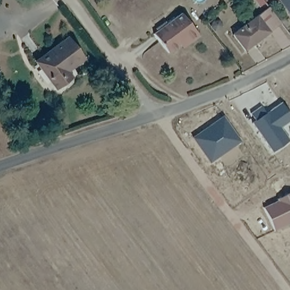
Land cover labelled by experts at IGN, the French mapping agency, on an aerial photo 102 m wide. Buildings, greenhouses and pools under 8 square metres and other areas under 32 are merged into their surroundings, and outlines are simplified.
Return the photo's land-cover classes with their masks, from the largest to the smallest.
<instances>
[{"label":"agricultural land","instance_id":"1","mask_svg":"<svg viewBox=\"0 0 290 290\"><path fill-rule=\"evenodd\" d=\"M0 290H282L220 207L211 201L204 188L171 143L168 135L159 125H154L153 121L0 172ZM9 137L0 123V161L19 155L18 151L9 150Z\"/></svg>","mask_w":290,"mask_h":290},{"label":"herbaceous vegetation","instance_id":"2","mask_svg":"<svg viewBox=\"0 0 290 290\"><path fill-rule=\"evenodd\" d=\"M33 0H0V17L17 15L20 10L31 14L34 11L31 7ZM219 2L217 0H93L92 7L116 36L119 44L126 37L136 36L138 41L130 46L136 49L154 36L157 27L184 14L186 10L195 20V28L201 33L198 43L190 44L186 48L179 46L176 50H170V53L165 52L156 41L147 46L142 56L137 57V61L142 62L155 78L162 75L163 83L172 85L174 91L182 95H193L227 83L230 79L234 80H236L242 71L256 67L257 62L249 56V49L242 45L236 35L239 29L244 27L242 23L237 22L229 0H223L227 8L220 10L219 18H215L211 25H206L199 16L208 8L216 6ZM0 71L12 84H17L16 92H12L9 99L14 108L29 97H32L34 104L40 105L39 114L28 128L32 133L43 126H48L54 116L51 106L42 102L45 89L36 82L33 72L26 68L19 54L17 39L7 42L0 40ZM87 60L84 65L77 68V76L72 80H75L74 85L61 94L65 105V119L62 122L68 125H70V123H72V122H76V121H79V120L77 116L82 111L76 106L78 95L91 94L95 104H100L101 101V96L88 84L89 72L93 67L97 70L106 69L109 62L104 54L100 59H96L91 53L86 54ZM224 112L225 117L236 129L241 138L237 146L241 151V159L237 167H232V165H228L227 163L222 162L221 157L213 162L208 160L193 137L195 129L215 117L217 113ZM248 119L244 110L230 101L225 97H217L187 110V113L180 114L172 120V128L180 143L190 151V155L206 173L207 179L212 182L211 187L204 188L211 201L220 207L227 203L231 210L239 212L266 207L290 194V140L278 151H273L272 154L267 152L254 135L253 129L247 125ZM113 118L108 119H105V120H102V121H99V122H94V123H91V125H86V126H83V127H79V128H76V129H74V130H71L58 136V144L62 140L114 123ZM256 242L290 287V225L279 230L256 239Z\"/></svg>","mask_w":290,"mask_h":290},{"label":"building","instance_id":"3","mask_svg":"<svg viewBox=\"0 0 290 290\"><path fill-rule=\"evenodd\" d=\"M274 0H255L254 5L257 9L253 18L242 23L244 27L239 29L236 35L242 45L249 49L263 41L275 28H279L281 19L271 9ZM195 20L186 10L184 14L157 27L154 36L156 41L165 52L170 53V50H176L179 46L186 48L190 44L198 43L201 33L195 28ZM33 56L39 61L37 70H43L57 88L66 86L72 80L77 76V68L84 65L87 60L86 54L79 49V43L71 32L54 37L51 34V26L44 24L43 49L35 50ZM253 112L251 121L261 131L273 151H278L290 140V91L281 88L278 99L268 105L257 103L250 109ZM193 137L208 160L213 162L221 157L225 153L231 151L233 147L237 146L241 138L236 129L225 117L224 112L217 113L215 117L195 129ZM275 228L279 230L290 225V194L266 207Z\"/></svg>","mask_w":290,"mask_h":290},{"label":"impervious surface","instance_id":"4","mask_svg":"<svg viewBox=\"0 0 290 290\"><path fill-rule=\"evenodd\" d=\"M31 7L34 11L31 14L20 10L17 15L0 17V40L7 42L17 39L19 54L26 68L33 72L36 82L45 89L61 94L74 85L75 80H72L66 86L57 88L43 70H37L39 61L33 56L35 50L43 49L44 24L51 26V34L54 37L71 32L74 27L58 9V6L65 5L66 0H33ZM290 44V40L279 28H275L263 41L249 49V56L257 62ZM290 65V54L270 66L257 70L254 74L236 80H234L229 85L216 88L215 91L196 96L194 99L140 113L127 121L114 123L62 140L58 144L50 148H37L27 155H19L0 161V172L153 121L187 110L217 97H225L238 88ZM278 99L268 85L264 84L230 101L244 110L248 119L247 125L253 129L254 135L267 152L272 154L273 151L261 131L251 121L253 112L250 109L257 103L268 105ZM222 162L227 163L228 165H232V167H237L241 159V151L237 146L233 147L231 151L225 153L221 157Z\"/></svg>","mask_w":290,"mask_h":290},{"label":"deciduous trees","instance_id":"5","mask_svg":"<svg viewBox=\"0 0 290 290\"><path fill-rule=\"evenodd\" d=\"M219 2L216 6L208 8L199 16L206 25H211L215 18H219L220 10L227 8L223 0H217ZM237 22L242 23L253 18L257 9L254 5L255 0H229ZM271 9L281 19L279 28L290 40V0H274ZM88 84L101 96V101L100 104H95L91 94L78 95L76 106L82 111L77 116L79 120H83V119H86V118H89V117H93V116H103V114H105V113H108V114H109V118H108V119L113 118L114 123L127 121L140 113L142 108L139 106L136 89L129 85L126 69L109 62L106 69L97 70L93 67L89 72ZM17 84H12L0 71V123L9 137V150L18 151L19 155H27L37 148H50L58 144V136L71 130L69 129L68 125L62 122L65 119V105L61 94L45 89L42 102L51 106L54 116L48 126H43L32 133L28 128L39 114L40 105L34 104L32 97H29L14 108L9 99L12 92H16Z\"/></svg>","mask_w":290,"mask_h":290},{"label":"pervious surface","instance_id":"6","mask_svg":"<svg viewBox=\"0 0 290 290\"><path fill-rule=\"evenodd\" d=\"M65 5L82 23L104 54L109 62L126 69L129 85L136 89L139 106L142 108L140 113L194 99L196 96L215 91L216 88L229 85L234 80L230 79L227 83L193 95H182L174 91L172 85L163 83L162 75L155 78L142 62L137 61V57L142 56L147 46L156 41L154 36L136 49L130 46L138 41L136 36L126 37L119 44L117 48L111 46L80 0H66ZM137 70L148 84L167 93L171 97V102L156 99L148 93L134 76ZM290 54V44L257 62L256 67L242 71L236 80L254 74L257 70L270 66ZM264 84L268 85L278 99L281 88L290 91V65L238 88L225 97L230 101ZM187 113V110L153 121L154 125H159L168 135L171 143L204 188L211 187L212 182L207 179L206 173L190 155V151L180 143L172 128V120L180 114ZM282 290H290V287L256 242V239L279 230L275 228L266 207L239 212L231 210L227 203L220 207Z\"/></svg>","mask_w":290,"mask_h":290},{"label":"brushwood","instance_id":"7","mask_svg":"<svg viewBox=\"0 0 290 290\"><path fill-rule=\"evenodd\" d=\"M111 46L117 48L119 44L116 36L92 7L93 0H80ZM58 9L74 27L71 32L79 43V49L86 54L91 53L96 59H100L104 54L82 23L65 5L58 6ZM134 76L148 93L156 99L171 102V97L167 93L148 84L137 70ZM108 118H109V114H108V113H105V114H103V116H93V117H89V118H86V119H83V120H79V121H76V122H72V123H70V125H68L69 129L71 130H74V129H76V128H79V127H83V126H86V125H91V123H94V122H99V121H102V120H105V119H108Z\"/></svg>","mask_w":290,"mask_h":290}]
</instances>
